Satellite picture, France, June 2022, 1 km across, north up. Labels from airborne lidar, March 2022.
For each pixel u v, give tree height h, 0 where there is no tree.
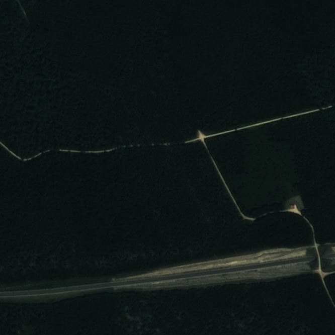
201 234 0
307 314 0
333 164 0
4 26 23
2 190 17
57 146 27
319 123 0
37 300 0
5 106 27
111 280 0
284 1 0
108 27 0
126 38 0
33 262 0
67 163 0
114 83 0
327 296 0
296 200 0
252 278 0
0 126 19
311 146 0
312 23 0
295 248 0
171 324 0
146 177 0
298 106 0
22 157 20
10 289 0
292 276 0
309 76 0
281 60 0
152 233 0
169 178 0
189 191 0
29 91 27
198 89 0
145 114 0
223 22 0
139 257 0
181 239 0
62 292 0
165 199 0
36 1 0
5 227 21
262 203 0
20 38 0
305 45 0
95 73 0
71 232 0
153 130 0
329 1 0
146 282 0
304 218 0
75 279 0
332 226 0
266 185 0
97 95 0
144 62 0
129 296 0
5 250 20
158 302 0
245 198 0
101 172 0
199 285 0
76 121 0
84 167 0
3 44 24
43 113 22
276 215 0
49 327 0
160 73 0
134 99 0
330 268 0
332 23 0
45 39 0
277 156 0
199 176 0
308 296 0
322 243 0
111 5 0
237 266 0
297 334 0
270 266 0
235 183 0
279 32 0
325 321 0
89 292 0
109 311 0
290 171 0
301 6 0
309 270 0
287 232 0
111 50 0
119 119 0
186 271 0
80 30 0
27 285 0
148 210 0
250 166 0
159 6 0
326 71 0
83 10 0
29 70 31
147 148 0
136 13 0
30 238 0
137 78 0
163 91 0
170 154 0
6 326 19
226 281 0
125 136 0
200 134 0
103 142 0
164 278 0
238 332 0
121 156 0
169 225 0
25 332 0
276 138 0
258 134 0
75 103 0
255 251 0
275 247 0
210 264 0
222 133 0
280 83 0
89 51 0
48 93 27
